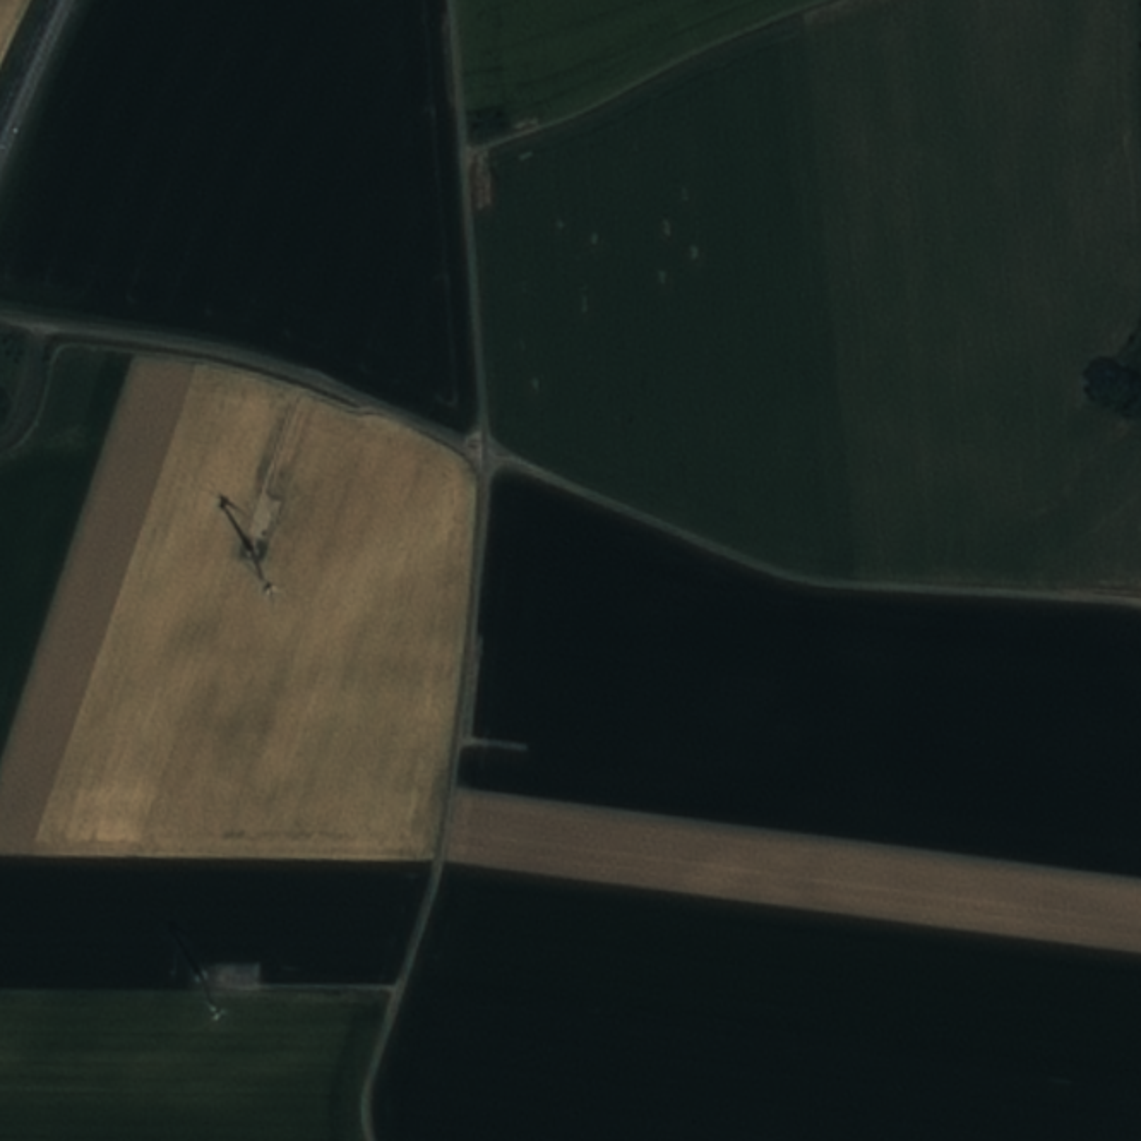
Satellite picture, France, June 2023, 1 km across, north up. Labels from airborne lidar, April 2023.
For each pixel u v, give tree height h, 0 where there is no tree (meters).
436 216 0
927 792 0
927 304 0
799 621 0
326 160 0
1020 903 0
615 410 0
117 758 0
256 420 0
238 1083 0
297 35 0
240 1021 0
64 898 0
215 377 0
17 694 0
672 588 0
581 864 0
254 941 0
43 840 0
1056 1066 0
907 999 0
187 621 0
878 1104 0
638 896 0
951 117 0
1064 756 0
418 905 0
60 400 0
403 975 0
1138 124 0
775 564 0
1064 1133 0
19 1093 0
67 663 0
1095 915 0
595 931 0
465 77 0
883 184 0
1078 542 0
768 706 0
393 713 0
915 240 0
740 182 0
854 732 0
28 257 0
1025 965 0
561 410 0
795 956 0
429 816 0
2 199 0
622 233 0
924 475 0
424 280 0
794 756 0
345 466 0
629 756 0
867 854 0
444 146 0
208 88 0
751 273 0
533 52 0
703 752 0
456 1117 0
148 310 0
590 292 0
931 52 0
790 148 0
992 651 0
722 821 0
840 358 0
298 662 0
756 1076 0
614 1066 0
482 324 0
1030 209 0
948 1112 0
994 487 0
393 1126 0
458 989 0
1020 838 0
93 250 0
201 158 0
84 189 0
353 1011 0
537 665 0
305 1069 0
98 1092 0
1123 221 0
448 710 0
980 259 0
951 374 0
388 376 0
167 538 0
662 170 0
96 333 0
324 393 0
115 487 0
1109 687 0
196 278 0
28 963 0
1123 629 0
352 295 0
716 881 0
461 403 0
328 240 0
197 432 0
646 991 0
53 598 0
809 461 0
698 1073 0
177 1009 0
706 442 0
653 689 0
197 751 0
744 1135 0
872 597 0
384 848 0
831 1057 0
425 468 0
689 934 0
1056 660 0
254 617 0
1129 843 0
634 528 0
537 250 0
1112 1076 0
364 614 0
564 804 0
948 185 0
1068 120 0
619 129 0
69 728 0
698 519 0
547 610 0
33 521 0
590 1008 0
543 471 0
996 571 0
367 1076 0
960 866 0
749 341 0
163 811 0
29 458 0
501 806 0
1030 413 0
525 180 0
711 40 0
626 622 0
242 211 0
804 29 0
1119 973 0
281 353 0
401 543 0
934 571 0
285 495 0
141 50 0
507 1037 0
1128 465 0
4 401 10
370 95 0
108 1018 0
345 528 0
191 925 0
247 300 0
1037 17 0
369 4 0
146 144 0
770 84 0
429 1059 0
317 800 0
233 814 0
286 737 0
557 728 0
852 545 0
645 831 0
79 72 0
